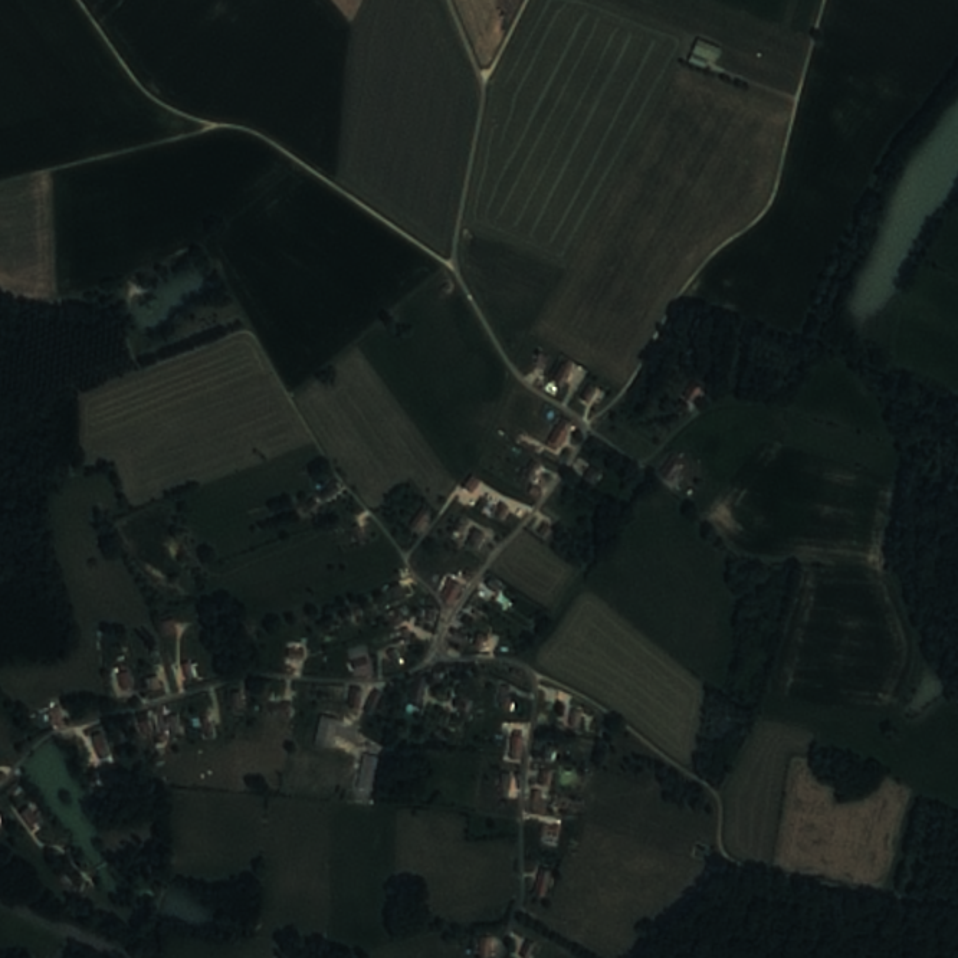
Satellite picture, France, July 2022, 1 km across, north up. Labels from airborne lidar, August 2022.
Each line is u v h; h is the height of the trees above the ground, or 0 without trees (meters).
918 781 0
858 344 9
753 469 0
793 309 0
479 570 0
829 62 0
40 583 19
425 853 0
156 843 9
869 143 0
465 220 0
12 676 0
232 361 0
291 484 0
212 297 17
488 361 0
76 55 0
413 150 0
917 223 0
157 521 0
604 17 0
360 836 0
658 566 0
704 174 0
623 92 0
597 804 0
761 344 28
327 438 0
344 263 0
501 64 0
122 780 24
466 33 0
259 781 16
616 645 0
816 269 0
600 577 0
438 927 9
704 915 21
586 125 0
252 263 0
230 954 0
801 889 23
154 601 7
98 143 0
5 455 28
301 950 25
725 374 29
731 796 0
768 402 19
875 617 0
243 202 0
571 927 0
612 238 0
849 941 22
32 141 0
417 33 0
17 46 0
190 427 0
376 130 0
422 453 0
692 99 0
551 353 0
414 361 0
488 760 0
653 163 0
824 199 0
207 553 16
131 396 0
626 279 0
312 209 0
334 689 0
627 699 0
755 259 0
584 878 0
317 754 0
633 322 0
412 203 0
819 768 19
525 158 0
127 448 0
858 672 0
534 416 0
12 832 14
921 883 7
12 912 0
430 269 0
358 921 0
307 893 0
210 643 20
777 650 8
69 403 14
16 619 16
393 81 0
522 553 0
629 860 0
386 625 5
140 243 0
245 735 0
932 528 24
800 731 0
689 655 0
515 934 0
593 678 0
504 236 0
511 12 0
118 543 15
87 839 0
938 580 22
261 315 0
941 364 0
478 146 0
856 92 0
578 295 0
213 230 16
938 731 0
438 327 0
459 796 0
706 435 0
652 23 0
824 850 0
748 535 0
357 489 7
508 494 0
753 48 0
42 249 0
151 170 0
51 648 11
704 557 0
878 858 0
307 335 0
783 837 0
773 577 7
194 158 0
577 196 0
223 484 0
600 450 7
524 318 0
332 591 0
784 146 0
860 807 0
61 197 0
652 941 18
